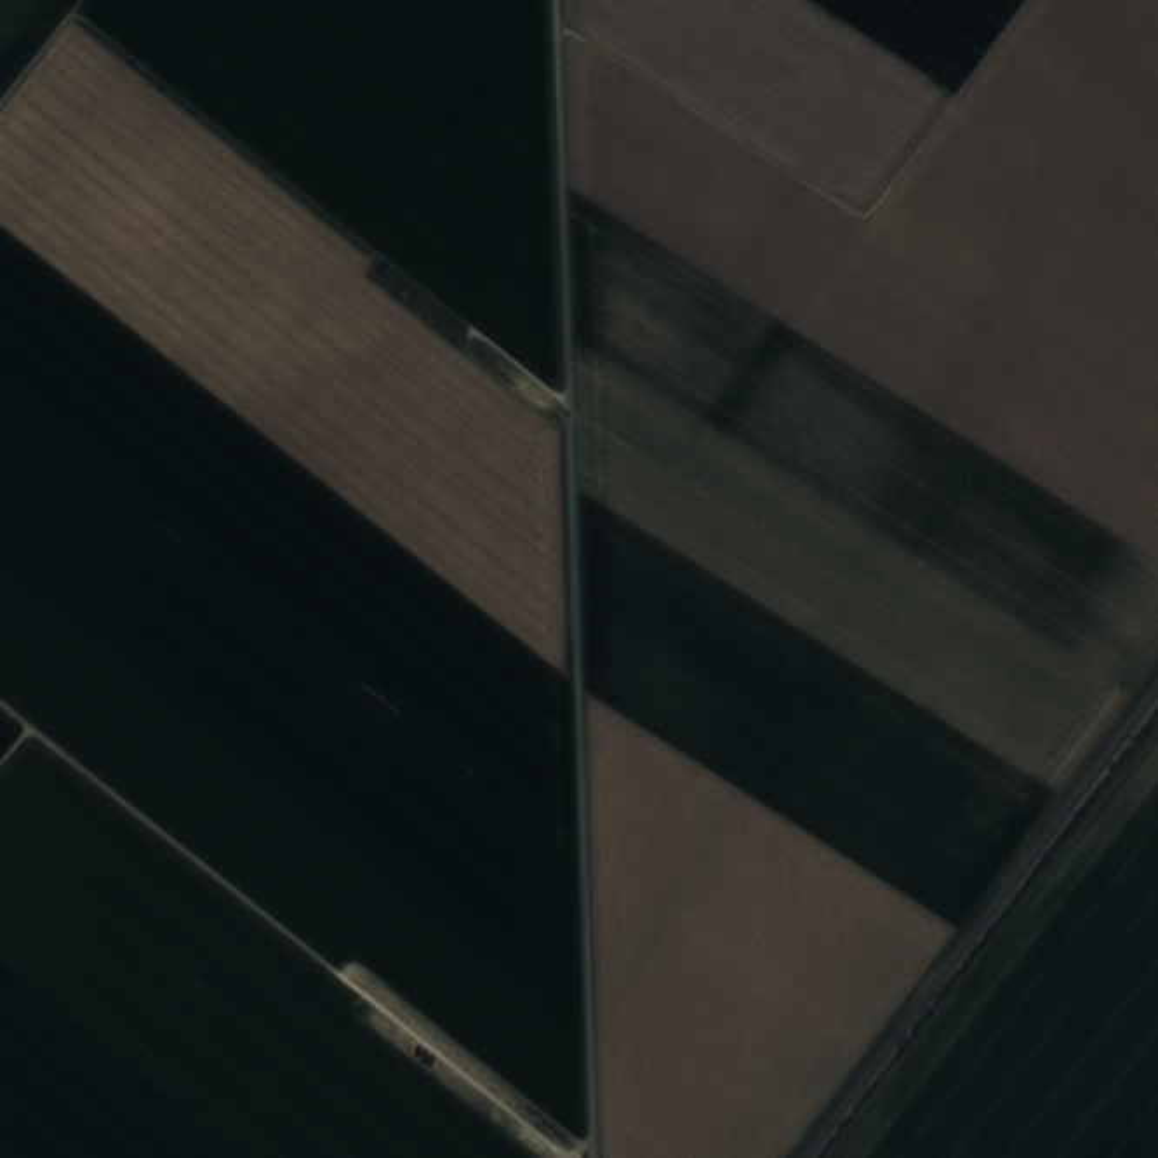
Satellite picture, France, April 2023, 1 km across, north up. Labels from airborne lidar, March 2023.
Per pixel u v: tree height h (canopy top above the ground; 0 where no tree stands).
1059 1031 0
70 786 0
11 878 0
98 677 0
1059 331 0
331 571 0
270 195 0
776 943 0
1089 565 0
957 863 0
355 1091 0
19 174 0
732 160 0
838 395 0
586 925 0
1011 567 0
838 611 0
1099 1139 0
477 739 0
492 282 0
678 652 0
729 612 0
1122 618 0
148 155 0
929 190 0
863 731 0
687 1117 0
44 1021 0
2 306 0
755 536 0
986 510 0
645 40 0
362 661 0
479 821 0
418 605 0
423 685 0
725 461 0
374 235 0
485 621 0
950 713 0
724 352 0
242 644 0
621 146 0
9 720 0
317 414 0
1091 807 6
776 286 0
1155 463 0
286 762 0
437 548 0
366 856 0
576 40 0
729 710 0
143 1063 0
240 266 0
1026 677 0
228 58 0
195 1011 0
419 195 0
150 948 0
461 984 0
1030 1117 0
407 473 0
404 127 0
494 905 0
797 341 0
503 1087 0
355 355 0
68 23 0
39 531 0
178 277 0
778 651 0
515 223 0
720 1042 0
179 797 0
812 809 0
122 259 0
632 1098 0
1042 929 0
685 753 0
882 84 0
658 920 0
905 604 0
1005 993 0
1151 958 0
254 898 0
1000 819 0
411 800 0
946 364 0
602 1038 0
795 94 0
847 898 0
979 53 0
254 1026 0
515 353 0
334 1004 0
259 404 0
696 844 0
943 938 0
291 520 0
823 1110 0
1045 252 0
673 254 0
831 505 0
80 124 0
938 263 0
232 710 0
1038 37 0
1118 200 0
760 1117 0
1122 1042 0
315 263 0
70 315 0
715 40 0
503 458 0
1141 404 0
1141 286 0
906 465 0
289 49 0
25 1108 0
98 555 0
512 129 0
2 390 0
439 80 0
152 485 0
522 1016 0
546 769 0
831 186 0
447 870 0
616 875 0
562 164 0
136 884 0
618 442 0
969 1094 0
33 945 0
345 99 0
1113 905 0
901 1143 0
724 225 0
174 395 0
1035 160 0
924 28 0
